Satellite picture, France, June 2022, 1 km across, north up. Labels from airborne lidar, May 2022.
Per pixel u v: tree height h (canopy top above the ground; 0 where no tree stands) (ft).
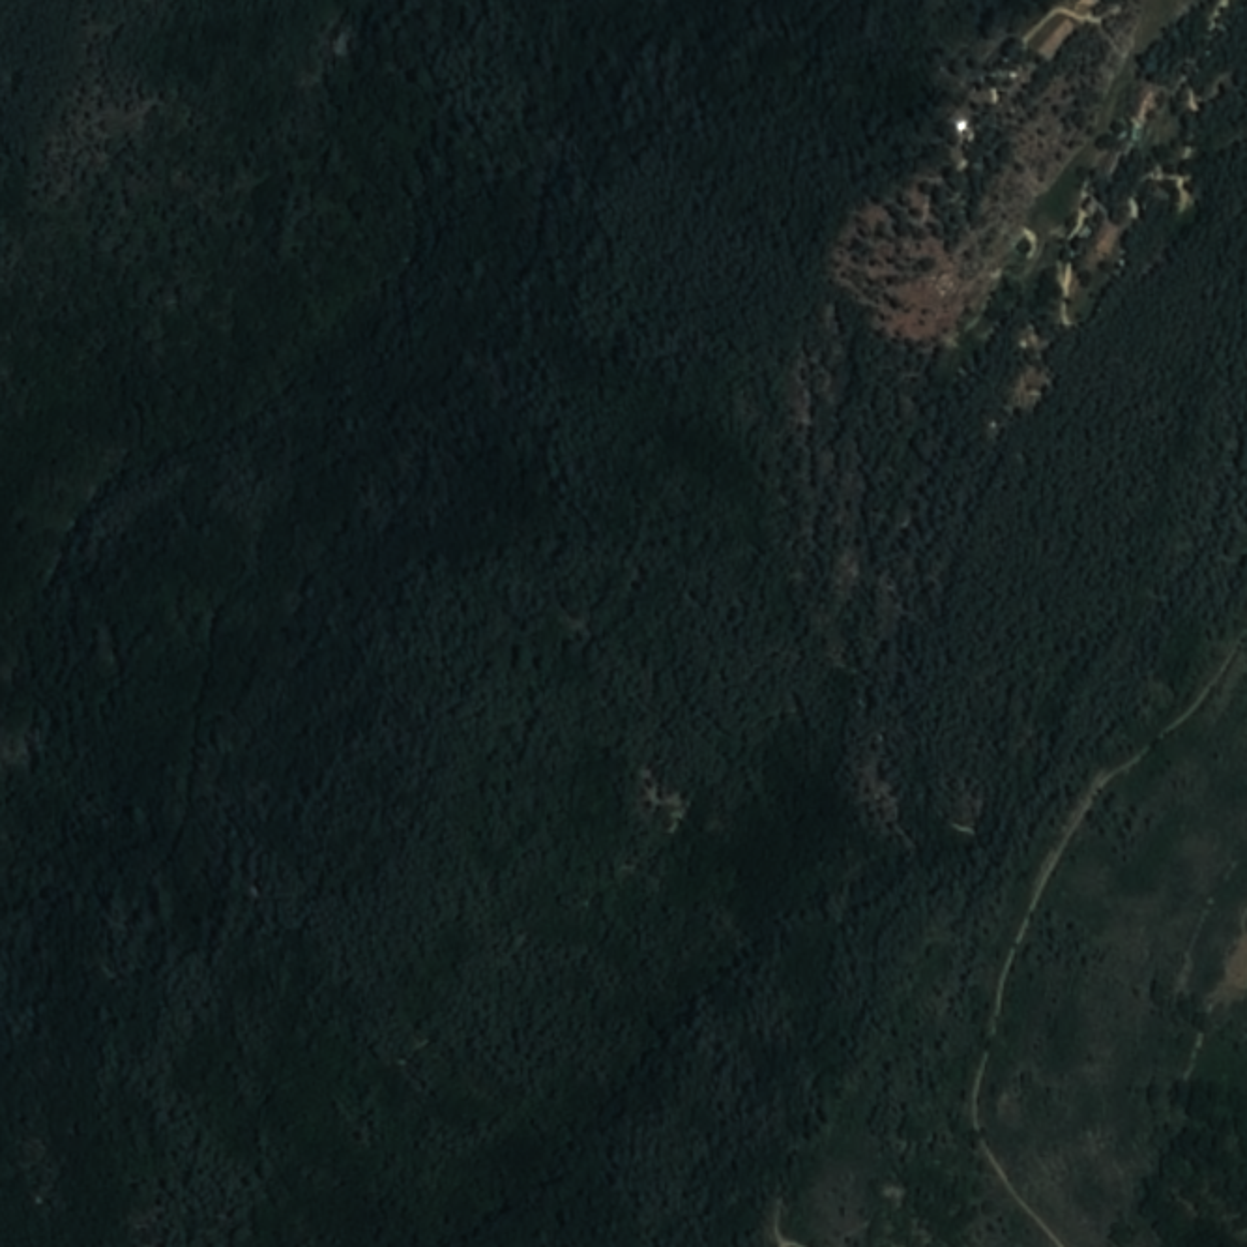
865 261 72
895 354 75
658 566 73
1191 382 78
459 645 92
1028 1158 0
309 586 30
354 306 51
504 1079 73
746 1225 55
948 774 61
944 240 54
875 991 46
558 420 77
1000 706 66
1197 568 50
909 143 72
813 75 63
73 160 32
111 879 27
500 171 50
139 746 67
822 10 56
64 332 58
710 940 54
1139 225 54
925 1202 24
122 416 60
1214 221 71
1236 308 73
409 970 90
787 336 81
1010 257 0
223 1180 73
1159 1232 27
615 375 75
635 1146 59
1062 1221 0
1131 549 50
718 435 42
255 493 85
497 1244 72
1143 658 34
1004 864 49
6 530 53
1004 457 51
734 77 85
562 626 40
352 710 43
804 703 73
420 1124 31
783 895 77
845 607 33
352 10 37
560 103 42
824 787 53
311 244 21
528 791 66
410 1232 73
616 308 75
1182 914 0
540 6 53
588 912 42
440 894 89
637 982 81
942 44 45
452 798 83
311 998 59
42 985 27
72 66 73
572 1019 53
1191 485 54
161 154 23
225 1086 51
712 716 70
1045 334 54
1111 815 26
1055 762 32
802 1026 29
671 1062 70
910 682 69
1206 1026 35
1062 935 28
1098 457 78
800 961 48
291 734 48
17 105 93
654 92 76
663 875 74
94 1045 49
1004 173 64
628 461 66
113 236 58
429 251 53
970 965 37
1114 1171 0
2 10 96
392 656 71
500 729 86
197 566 58
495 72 80
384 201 52
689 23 40
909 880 66
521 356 54
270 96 29
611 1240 57
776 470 65
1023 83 24
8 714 51
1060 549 64
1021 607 75
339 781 60
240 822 49
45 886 55
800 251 81
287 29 93
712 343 64
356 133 62
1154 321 71
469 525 52
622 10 56
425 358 68
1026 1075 27
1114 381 54
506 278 49
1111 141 31
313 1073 62
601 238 52
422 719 76
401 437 56
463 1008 91
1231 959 0
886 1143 25
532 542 73
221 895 45
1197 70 24
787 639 85
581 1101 56
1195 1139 24
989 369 42
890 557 57
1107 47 39
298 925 72
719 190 89
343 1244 58
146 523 44
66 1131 35
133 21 80
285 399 63
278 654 42
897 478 80
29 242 21
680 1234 47
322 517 70
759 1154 53
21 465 54
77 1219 52
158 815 54
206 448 49
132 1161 50
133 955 74
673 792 38
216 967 85
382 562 62
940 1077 31
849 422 63
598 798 46
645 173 79
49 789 61
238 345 48
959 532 43
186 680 60
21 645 50
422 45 26
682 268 85
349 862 80
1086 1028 0
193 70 61
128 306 36
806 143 74
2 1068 51
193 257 53
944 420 58
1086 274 25
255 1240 48
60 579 59
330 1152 49
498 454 48
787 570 78
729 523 64
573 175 31
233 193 51
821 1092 45
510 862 78
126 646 53
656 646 76
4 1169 36
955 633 67
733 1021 73
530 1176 45
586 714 61
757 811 51
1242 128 63
